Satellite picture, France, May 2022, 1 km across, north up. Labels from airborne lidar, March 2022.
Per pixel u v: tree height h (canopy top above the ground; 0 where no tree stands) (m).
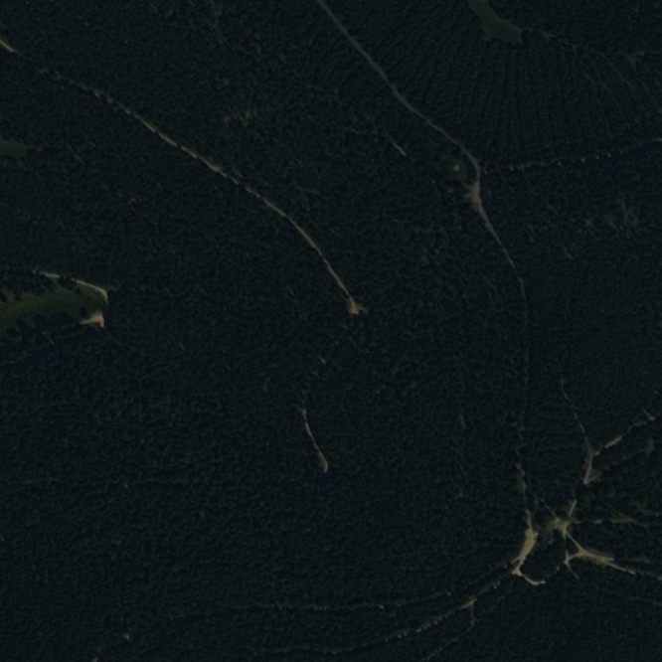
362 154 22
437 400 21
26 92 26
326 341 21
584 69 9
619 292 19
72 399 25
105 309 0
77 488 25
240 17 8
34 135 27
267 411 24
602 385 20
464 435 23
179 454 28
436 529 29
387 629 16
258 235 25
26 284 21
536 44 16
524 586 15
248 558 25
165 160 26
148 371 31
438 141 15
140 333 23
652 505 12
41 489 10
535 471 15
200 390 23
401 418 21
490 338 20
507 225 20
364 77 18
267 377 16
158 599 20
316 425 17
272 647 18
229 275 22
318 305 25
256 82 26
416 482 25
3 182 17
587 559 0
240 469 26
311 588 9
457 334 24
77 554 26
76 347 26
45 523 23
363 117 21
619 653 10
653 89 12
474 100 15
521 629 12
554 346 15
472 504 11
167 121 21
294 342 24
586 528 15
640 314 20
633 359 18
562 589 15
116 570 25
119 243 27
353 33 19
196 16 24
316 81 19
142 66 22
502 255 28
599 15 18
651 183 26
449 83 16
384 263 25
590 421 16
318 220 26
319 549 28
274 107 22
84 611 28
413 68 16
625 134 17
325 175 6
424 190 23
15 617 28
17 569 23
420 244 26
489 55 12
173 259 21
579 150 21
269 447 26
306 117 6
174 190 26
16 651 25
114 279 26
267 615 16
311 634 21
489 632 9
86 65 22
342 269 24
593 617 12
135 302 27
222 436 27
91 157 26
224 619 25
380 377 22
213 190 24
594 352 19
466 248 17
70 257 23
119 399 26
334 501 26
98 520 29
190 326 24
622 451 16
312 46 15
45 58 25
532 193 23
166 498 19
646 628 14
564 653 14
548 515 26
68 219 21
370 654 18
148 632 19
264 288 24
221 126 24
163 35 23
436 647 17
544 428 11
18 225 23
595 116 19
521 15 24
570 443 13
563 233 20
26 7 20
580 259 22
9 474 23
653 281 20
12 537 27
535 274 19
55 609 24
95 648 19
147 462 23
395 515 24
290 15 17
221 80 25
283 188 24
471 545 6
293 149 22
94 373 26
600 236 21
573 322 16
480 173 0
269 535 25
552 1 18
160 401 24
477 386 24
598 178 20
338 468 29
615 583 12
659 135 16
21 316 0
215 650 21
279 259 28
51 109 26
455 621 13
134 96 22
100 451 23
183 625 24
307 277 20
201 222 22
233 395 21
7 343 0
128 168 24
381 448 21
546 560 10
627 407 21
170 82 24
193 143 20
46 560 25
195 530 21
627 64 12
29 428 23
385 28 18
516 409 16
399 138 15
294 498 23
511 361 27
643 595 12
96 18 25
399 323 24
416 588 6
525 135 16
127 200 24
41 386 23
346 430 23
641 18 22
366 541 31
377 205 24
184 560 25
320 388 24
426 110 18
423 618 8
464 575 8
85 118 26
